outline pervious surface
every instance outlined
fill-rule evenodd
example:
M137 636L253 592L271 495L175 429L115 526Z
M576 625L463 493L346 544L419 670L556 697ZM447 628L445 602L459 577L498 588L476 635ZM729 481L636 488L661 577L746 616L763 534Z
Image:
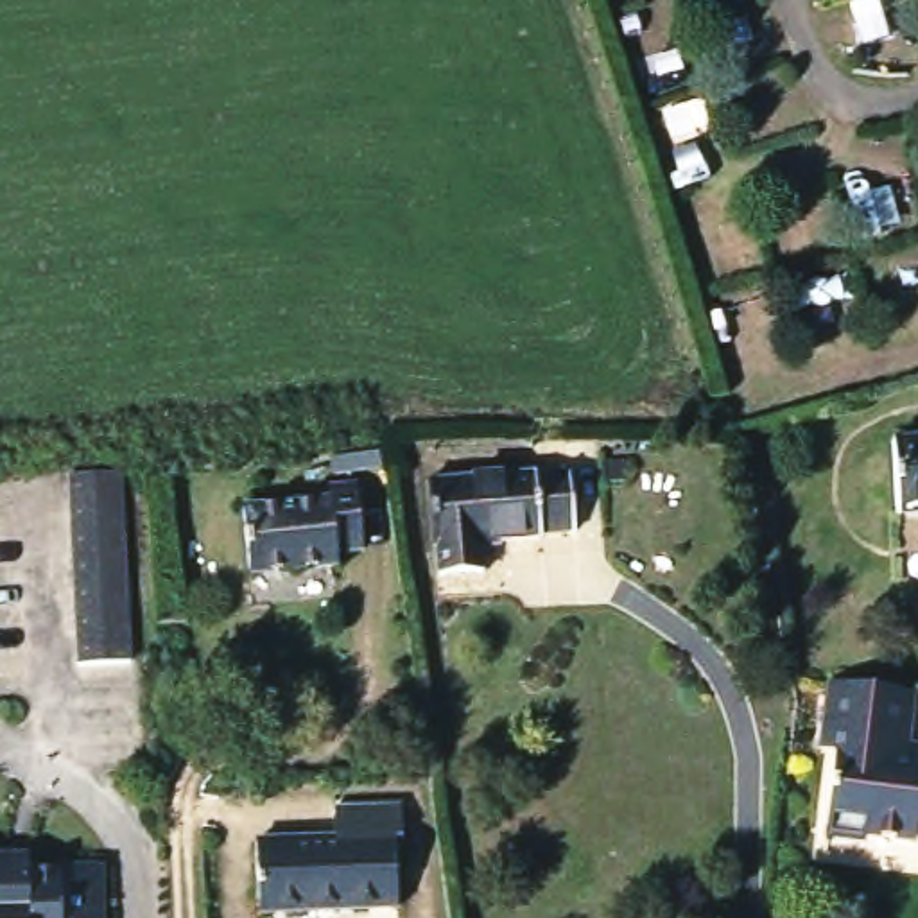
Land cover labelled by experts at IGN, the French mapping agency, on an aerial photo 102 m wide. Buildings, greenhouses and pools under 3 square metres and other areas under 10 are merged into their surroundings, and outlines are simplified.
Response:
M678 0L656 0L653 22L642 22L635 36L645 57L674 50L671 7Z
M452 861L452 828L437 792L434 778L420 778L405 782L398 792L409 792L409 800L402 803L405 836L398 843L398 900L391 907L398 907L398 918L452 918L445 864Z
M316 559L305 574L287 574L283 567L262 570L255 581L244 585L240 613L247 624L269 613L273 602L301 602L316 595L330 599L344 588L362 592L362 617L351 628L351 653L366 681L362 699L377 703L387 689L394 689L394 685L394 663L384 656L384 635L391 628L394 595L402 592L402 570L398 545L387 538L384 545L369 545L359 549L351 563Z
M760 258L757 240L746 237L728 215L735 183L757 169L760 161L746 154L724 161L721 172L710 172L706 165L696 179L703 183L703 194L696 197L696 219L717 273L757 265Z
M434 498L434 473L452 459L484 459L506 448L527 448L541 455L588 459L599 455L595 437L567 437L524 437L420 441L420 448L405 445L402 520L405 527L420 520L420 506Z
M29 836L39 800L65 800L93 825L100 843L115 850L122 861L122 918L197 918L194 861L201 828L208 828L212 821L226 825L222 918L273 918L273 914L262 907L265 868L258 857L258 839L276 821L333 818L333 800L323 785L308 782L273 800L230 800L208 792L201 771L183 767L172 796L172 857L158 861L158 846L151 832L140 825L136 807L122 800L111 785L115 767L143 746L136 671L136 656L143 653L140 509L133 491L126 495L126 559L133 649L111 660L82 660L75 628L68 473L43 473L0 484L0 689L29 699L29 717L0 732L0 771L25 785L14 832Z
M864 348L853 337L839 337L818 344L807 366L785 366L771 348L771 323L760 290L739 290L735 298L735 351L742 362L739 394L746 409L764 409L850 380L868 380L918 366L918 308L900 326L886 348Z
M502 832L488 828L470 839L473 850L491 853L498 846L506 836L520 832L531 821L524 810L502 818Z
M918 520L907 520L907 534L896 545L875 545L871 556L889 563L889 577L896 585L918 577Z
M871 115L904 111L918 100L918 43L889 32L882 39L861 43L850 14L853 0L771 0L767 18L778 22L785 50L810 54L810 68L792 90L782 93L782 104L771 111L764 126L767 133L782 133L796 122L821 118L821 147L832 161L843 169L861 165L907 179L900 143L893 136L861 140L857 122Z
M782 233L782 244L785 251L814 244L825 222L818 222L810 212L803 215L796 226Z

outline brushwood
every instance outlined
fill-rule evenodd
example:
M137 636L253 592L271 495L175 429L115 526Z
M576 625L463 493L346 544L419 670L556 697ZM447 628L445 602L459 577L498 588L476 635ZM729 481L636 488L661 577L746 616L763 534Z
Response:
M671 663L678 667L678 706L699 710L710 689L685 649L663 642L660 649L649 649L649 667L656 674L671 671Z
M194 861L197 918L222 918L226 825L212 821L208 828L201 828Z
M642 118L638 90L620 50L620 39L628 36L624 14L638 14L642 22L653 22L656 0L588 0L649 186L660 183L667 172L660 172Z
M330 599L341 610L341 620L351 628L362 617L362 592L344 588Z
M868 380L850 380L764 409L746 409L739 394L724 398L728 380L717 355L717 330L710 323L710 308L699 301L678 215L667 194L653 201L706 384L706 391L696 391L674 416L574 416L563 423L567 437L595 437L649 441L660 452L674 445L706 441L724 445L721 488L732 506L739 506L739 520L746 524L749 488L742 484L742 455L749 430L767 434L775 473L785 488L792 488L796 481L814 473L803 420L836 423L846 409L875 409L882 387L896 387L918 377L918 366Z
M710 853L692 861L703 886L710 886L710 893L717 896L728 896L735 893L739 868L735 857L717 843L710 846Z
M918 212L918 100L904 111L871 115L857 122L861 140L893 136L900 143L907 179L911 204Z
M477 624L477 635L484 638L484 660L498 660L509 645L509 620L488 610Z
M760 258L757 265L717 273L714 294L735 298L739 290L760 290L771 323L789 319L796 312L796 305L810 298L810 294L796 287L792 276L785 276L767 258Z
M879 0L889 32L918 43L918 0Z
M724 161L746 154L760 161L789 147L821 147L821 118L796 122L782 133L767 133L764 126L739 108L739 93L746 93L746 72L742 54L732 39L714 54L689 54L681 61L681 65L692 68L689 86L678 93L681 100L703 100L706 108L706 129L696 136L706 165L710 172L721 172Z
M29 717L29 699L0 689L0 732Z
M524 663L524 678L549 685L563 685L567 667L577 653L581 617L574 613L574 606L567 606L556 617L545 642L534 645L534 653Z
M760 617L757 585L742 585L728 595L717 570L710 570L699 577L696 599L681 613L732 660L732 678L739 692L757 706L767 757L767 814L760 825L764 896L775 889L778 879L796 875L796 861L814 850L810 828L821 789L821 753L810 742L814 699L800 685L803 678L810 653L818 649L818 624L825 610L850 592L846 570L832 570L825 577L810 570L810 588L800 602L789 602L778 617Z
M918 638L896 620L882 595L861 613L857 628L861 638L875 642L875 660L918 660Z
M524 437L516 423L398 427L394 420L387 420L387 409L402 402L398 394L380 391L380 384L373 380L333 380L276 387L262 394L233 394L212 405L165 398L151 405L118 405L111 412L0 412L0 484L43 473L68 473L82 466L111 466L129 481L133 491L140 509L143 653L136 656L136 671L143 746L115 767L111 785L122 800L136 807L140 825L151 832L158 846L158 861L172 857L172 796L183 767L201 771L208 792L230 800L273 800L308 782L323 785L333 800L341 792L366 789L398 792L405 782L420 778L434 778L437 792L445 785L459 785L470 839L488 828L502 832L502 818L524 810L570 771L577 757L574 746L563 746L559 735L549 728L538 728L527 710L509 721L491 721L473 746L455 749L452 760L434 760L430 742L423 742L423 721L394 689L387 689L377 703L362 699L359 717L348 728L333 732L333 739L326 739L319 749L301 749L301 764L280 764L283 775L222 775L226 760L201 753L197 739L183 728L183 706L176 699L172 681L176 671L183 671L186 663L197 671L212 671L230 663L226 642L219 642L215 649L197 649L197 631L208 631L208 624L226 617L226 588L183 581L172 477L194 481L204 463L219 473L230 473L240 470L247 459L269 459L269 466L255 477L255 491L258 491L276 484L283 463L305 466L312 466L319 452L380 452L391 473L384 481L387 538L398 545L402 570L402 592L394 595L391 628L384 635L384 656L394 663L394 685L402 678L427 678L420 610L430 606L437 595L434 577L427 567L420 520L405 527L402 520L405 445L420 448L420 441Z
M825 222L814 244L836 247L836 255L828 258L832 280L843 280L843 287L850 290L846 301L836 301L843 308L839 337L853 337L864 348L886 348L900 326L893 323L889 305L868 294L861 265L918 247L918 226L900 226L875 237L864 204L857 201L843 186L843 169L832 161L825 169L825 197L810 212L818 222Z

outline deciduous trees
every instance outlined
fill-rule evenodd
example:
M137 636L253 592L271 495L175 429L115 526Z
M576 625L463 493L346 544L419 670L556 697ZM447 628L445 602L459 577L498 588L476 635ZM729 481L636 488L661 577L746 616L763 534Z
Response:
M463 918L459 911L473 900L481 904L481 914L488 914L491 907L520 907L538 893L524 882L520 864L506 857L498 846L491 853L473 850L473 868L459 868L452 861L445 864L452 918Z
M775 889L764 896L771 918L861 918L861 904L836 896L828 882L814 875L796 875L778 879Z
M728 14L717 0L678 0L671 7L674 50L681 54L681 61L689 54L714 54L732 39Z
M301 764L301 749L319 749L326 739L333 739L333 732L330 703L298 678L298 671L237 671L230 663L212 671L197 671L186 663L183 671L176 671L172 681L176 699L183 706L183 728L197 739L201 753L226 760L222 775L283 775L280 764Z
M785 366L807 366L818 344L796 323L796 312L789 319L771 323L771 348Z
M613 918L732 918L728 896L717 896L710 893L710 886L703 886L692 861L674 857L649 864L642 875L628 882L624 893L617 893L610 907Z
M760 176L757 169L735 183L728 215L746 237L757 240L760 258L767 258L775 244L782 244L782 233L796 226L803 215L796 212L800 197L789 183Z

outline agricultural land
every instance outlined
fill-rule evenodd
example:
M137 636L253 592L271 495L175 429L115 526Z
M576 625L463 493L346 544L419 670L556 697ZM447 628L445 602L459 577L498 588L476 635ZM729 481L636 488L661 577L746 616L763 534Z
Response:
M520 412L520 398L534 398L538 391L556 405L663 402L674 416L696 391L706 391L706 384L653 201L649 186L588 0L0 0L0 412L111 412L118 405L151 405L165 398L212 405L233 394L262 394L276 387L333 380L373 380L380 384L380 391L398 394L402 402L441 398L470 402L477 409L498 405L502 412Z

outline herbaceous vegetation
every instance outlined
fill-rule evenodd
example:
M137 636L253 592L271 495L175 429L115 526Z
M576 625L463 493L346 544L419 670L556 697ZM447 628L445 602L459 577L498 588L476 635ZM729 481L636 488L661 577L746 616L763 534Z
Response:
M441 398L402 402L387 409L387 420L394 420L398 427L516 423L524 437L567 437L563 423L574 416L674 416L663 402L556 405L538 391L534 398L520 398L520 412L502 412L498 405L477 409L470 402Z
M918 212L911 204L907 179L861 165L843 169L843 186L857 201L868 194L868 186L889 186L896 197L900 226L918 226Z
M800 602L810 588L810 570L825 577L832 570L846 570L850 592L825 610L818 624L818 649L810 653L803 678L825 689L839 674L843 681L875 678L918 692L918 660L875 660L875 642L861 638L857 628L861 613L882 595L896 620L918 638L918 577L896 585L889 577L889 563L871 556L875 545L896 545L907 534L907 520L893 513L889 448L900 445L900 427L911 416L918 416L918 377L896 387L882 387L875 409L846 409L836 423L803 420L814 473L796 481L792 488L785 488L775 473L767 434L749 430L742 455L742 484L749 488L746 524L739 520L739 506L732 506L721 488L724 445L706 441L674 445L660 452L649 441L595 437L599 455L588 459L595 466L595 509L602 513L606 559L613 563L620 581L642 585L645 592L660 595L681 613L696 599L699 577L710 570L717 570L728 595L742 585L757 585L760 617L778 617L789 602Z
M638 90L642 118L660 172L667 172L660 183L649 186L653 201L667 194L678 215L699 301L710 308L710 323L717 330L717 355L728 380L724 398L739 394L742 362L735 351L735 298L714 294L717 273L696 219L696 197L703 194L703 183L696 179L689 186L674 186L674 143L663 126L663 108L681 100L678 93L689 86L692 68L681 65L678 72L656 75L649 72L645 57L635 36L642 22L638 14L624 14L628 36L620 39L620 50Z
M484 638L477 635L477 624L488 610L509 620L509 645L498 660L484 660ZM660 649L663 642L645 624L610 606L574 606L574 613L581 617L577 653L567 667L563 685L549 685L524 678L524 663L534 653L534 645L545 642L556 617L567 606L527 606L516 595L437 595L430 606L420 610L427 678L402 678L394 685L394 689L423 721L423 742L430 742L434 760L452 760L455 749L473 746L491 721L509 721L527 710L538 728L549 728L559 735L563 746L574 746L577 757L570 771L524 810L531 821L520 832L506 836L498 846L506 857L520 864L524 882L538 893L520 907L491 907L488 914L481 914L481 904L473 900L459 911L463 918L613 918L610 907L617 893L624 893L628 882L642 875L649 864L674 857L692 861L710 853L710 846L717 843L717 836L732 832L732 746L710 689L699 710L678 706L678 667L671 663L671 671L656 674L649 667L649 649Z
M836 247L814 244L785 251L782 244L775 244L767 258L785 276L792 276L796 287L810 294L818 280L832 280L828 258L836 255Z
M803 215L810 212L825 197L825 169L832 161L821 147L789 147L760 161L757 169L760 176L789 183L800 197L796 212Z
M796 305L796 312L796 323L818 344L839 337L843 308L836 301L814 305L810 298Z
M900 326L918 308L918 247L861 265L868 294L889 305L893 323Z
M778 22L767 18L771 0L717 0L728 14L732 39L742 54L746 72L746 93L739 93L739 108L764 126L771 111L782 104L782 93L792 90L810 68L810 54L785 50Z
M0 771L0 832L14 832L25 785Z
M305 466L283 463L276 484L258 491L262 498L312 498L323 495L316 481L305 481Z
M29 836L100 843L93 825L65 800L39 800Z
M918 875L882 871L861 850L814 850L796 861L796 875L814 875L828 882L836 896L861 904L861 918L918 918Z
M473 868L473 850L470 839L459 785L445 785L437 792L452 828L452 861L459 868Z
M301 602L273 602L269 613L247 624L240 613L244 585L255 581L262 570L251 559L255 527L247 502L255 491L255 477L269 466L269 459L247 459L240 470L230 473L219 473L204 463L194 481L172 477L183 581L226 588L226 617L208 624L208 631L197 631L197 649L215 649L219 642L226 642L230 663L237 671L298 671L298 678L330 703L333 732L348 728L359 717L362 699L366 681L351 653L351 628L341 620L341 610L330 599L316 595Z

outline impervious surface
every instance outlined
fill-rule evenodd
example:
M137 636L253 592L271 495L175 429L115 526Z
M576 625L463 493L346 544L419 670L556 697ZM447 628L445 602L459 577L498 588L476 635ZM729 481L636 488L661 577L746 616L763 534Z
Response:
M369 545L384 545L387 538L384 481L391 473L380 452L319 452L312 466L305 466L305 481L316 481L337 473L351 473L359 481L362 531L369 534Z
M488 567L459 563L437 570L434 577L437 595L516 595L527 606L567 606L574 606L610 606L645 624L663 642L685 649L710 689L732 746L732 832L717 836L717 843L735 857L739 868L735 893L728 896L732 918L771 918L764 896L760 825L767 814L767 757L757 706L739 692L732 678L732 660L681 613L660 595L645 592L642 585L620 581L613 563L606 559L602 513L595 509L581 527L509 538L502 545L506 552Z
M810 742L821 753L821 789L810 828L814 850L861 850L882 871L918 875L918 836L828 836L832 796L839 785L839 757L836 746L825 742L825 689L803 678L800 685L814 699Z
M391 907L312 907L305 914L273 914L273 918L398 918L398 907Z

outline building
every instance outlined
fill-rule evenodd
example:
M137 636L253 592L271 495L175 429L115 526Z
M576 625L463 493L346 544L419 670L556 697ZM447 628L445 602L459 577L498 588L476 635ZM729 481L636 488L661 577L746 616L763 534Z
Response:
M857 201L864 204L875 237L900 226L896 197L889 186L868 186L868 194Z
M911 416L900 427L900 445L889 448L893 513L907 520L918 520L918 416Z
M645 57L649 72L656 75L678 72L681 65L681 61L681 54L674 50Z
M832 280L818 280L810 294L810 298L814 305L836 301L846 301L850 290L843 287L843 280Z
M122 918L122 861L115 850L100 843L29 836L14 832L0 832L0 918Z
M82 466L68 473L75 628L82 660L111 660L133 649L126 559L126 495L133 491L129 481L111 466Z
M828 836L918 836L918 692L875 678L843 681L839 674L825 689L825 742L836 746L839 757L839 785L832 796Z
M861 43L882 39L889 32L879 0L853 0L850 14Z
M434 498L420 506L420 520L427 567L434 577L437 570L459 563L488 567L506 552L502 545L509 538L581 527L595 509L595 466L588 459L541 455L527 448L506 448L484 459L452 459L434 473Z
M681 100L663 108L663 126L674 143L674 186L689 186L696 179L706 165L696 136L706 129L706 108L703 100Z
M323 495L312 498L262 498L258 491L255 491L247 502L255 527L251 559L262 570L283 567L287 574L305 574L316 559L351 563L359 549L369 545L369 534L362 531L359 481L351 473L337 473L316 481Z
M405 836L402 803L409 800L409 792L398 792L366 789L341 792L333 800L333 818L276 821L258 839L258 857L265 868L262 907L273 914L305 914L312 907L391 907L398 900L398 843Z

